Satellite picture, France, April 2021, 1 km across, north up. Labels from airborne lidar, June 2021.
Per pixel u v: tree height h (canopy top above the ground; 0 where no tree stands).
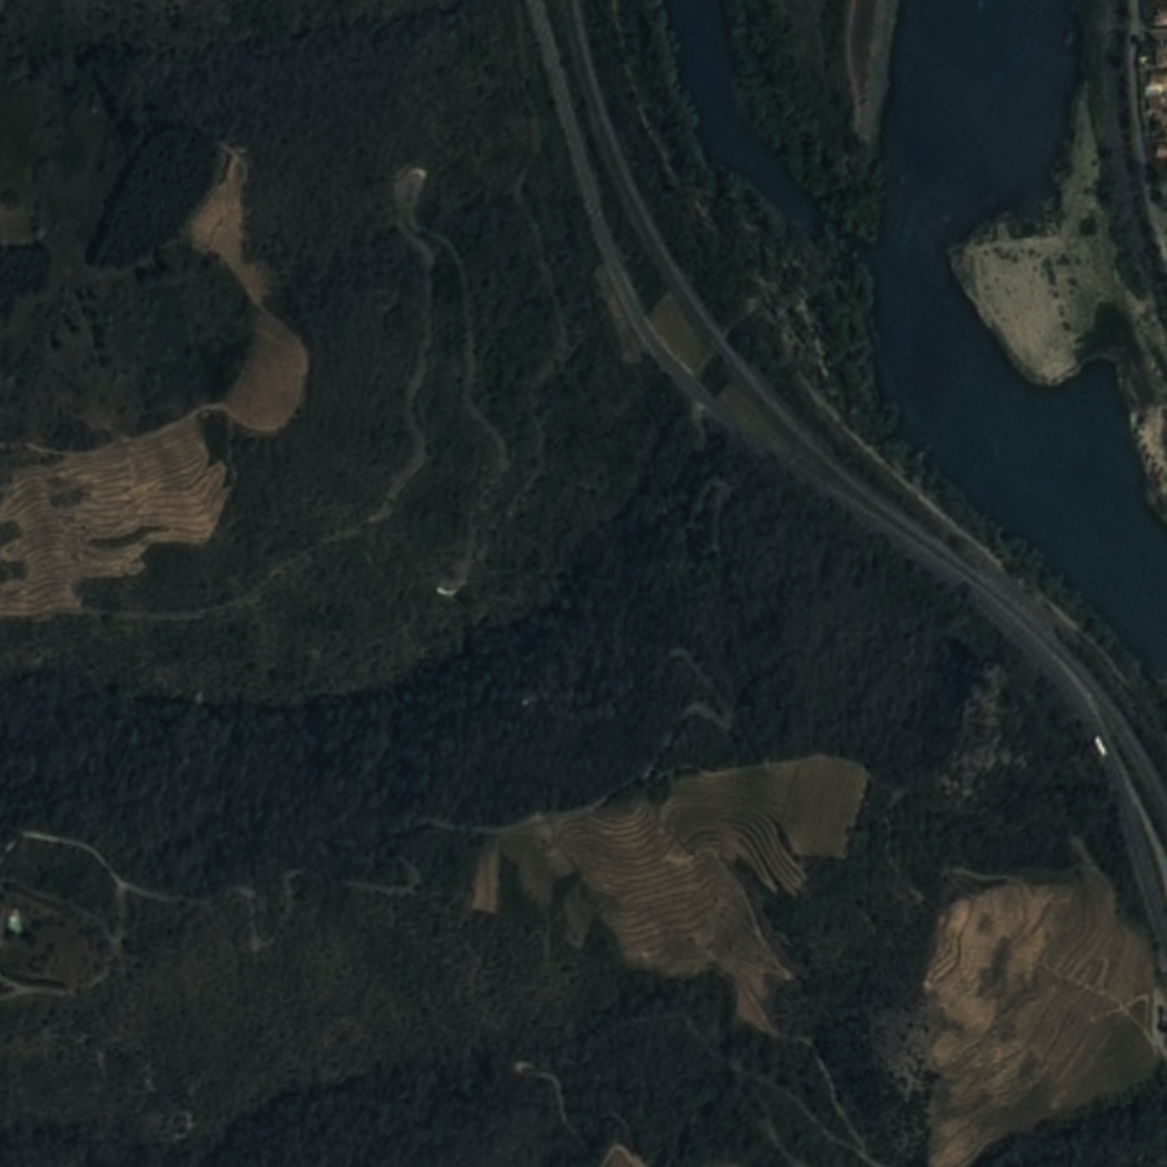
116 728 12
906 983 8
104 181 0
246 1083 6
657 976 13
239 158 0
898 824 9
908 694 17
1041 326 0
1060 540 0
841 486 0
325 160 11
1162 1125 7
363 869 12
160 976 13
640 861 0
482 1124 11
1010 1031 0
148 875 6
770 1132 13
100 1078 7
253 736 12
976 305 0
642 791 8
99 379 0
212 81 10
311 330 13
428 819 8
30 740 8
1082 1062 0
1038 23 0
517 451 8
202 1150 9
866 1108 6
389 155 10
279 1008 10
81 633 13
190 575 8
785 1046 12
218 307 10
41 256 12
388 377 7
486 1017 6
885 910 7
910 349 0
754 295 13
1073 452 0
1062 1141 12
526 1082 12
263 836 9
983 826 8
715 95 0
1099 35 0
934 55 0
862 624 10
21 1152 12
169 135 11
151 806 11
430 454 7
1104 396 0
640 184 15
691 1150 18
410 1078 16
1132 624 0
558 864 0
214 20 10
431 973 8
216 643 16
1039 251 0
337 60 11
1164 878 0
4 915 0
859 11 0
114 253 10
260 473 10
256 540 13
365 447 6
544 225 13
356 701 6
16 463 7
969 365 0
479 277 10
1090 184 0
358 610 10
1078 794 12
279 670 8
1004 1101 0
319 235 6
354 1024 7
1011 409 0
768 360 14
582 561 13
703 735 10
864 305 14
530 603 8
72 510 0
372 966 12
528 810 14
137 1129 17
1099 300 0
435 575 9
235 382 0
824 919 13
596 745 15
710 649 11
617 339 8
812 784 0
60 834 6
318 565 11
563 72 9
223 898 11
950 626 11
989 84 0
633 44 14
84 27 11
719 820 0
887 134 0
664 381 6
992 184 0
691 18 0
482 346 14
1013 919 0
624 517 15
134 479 0
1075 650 7
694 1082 20
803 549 13
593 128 17
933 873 12
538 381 15
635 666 15
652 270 7
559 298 10
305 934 8
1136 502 0
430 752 7
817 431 11
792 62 14
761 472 20
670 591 7
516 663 11
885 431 25
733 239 29
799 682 8
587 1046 17
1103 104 0
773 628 8
